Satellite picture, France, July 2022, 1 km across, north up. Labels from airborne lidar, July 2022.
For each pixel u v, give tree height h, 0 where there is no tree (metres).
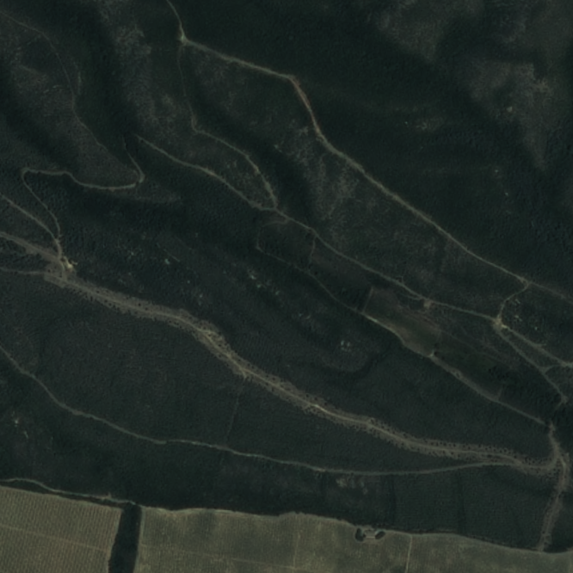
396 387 6
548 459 6
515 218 7
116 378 7
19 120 9
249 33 7
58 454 8
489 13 6
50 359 7
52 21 8
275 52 6
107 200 7
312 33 7
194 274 6
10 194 9
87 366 7
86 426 7
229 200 7
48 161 10
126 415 6
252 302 7
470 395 6
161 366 6
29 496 0
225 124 9
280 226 0
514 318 9
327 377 7
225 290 8
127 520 7
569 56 8
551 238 8
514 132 6
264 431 6
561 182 8
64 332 7
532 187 13
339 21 10
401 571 0
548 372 7
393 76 9
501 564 0
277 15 11
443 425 6
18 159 9
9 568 0
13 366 7
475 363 0
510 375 8
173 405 6
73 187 7
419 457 6
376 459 6
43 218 8
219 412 6
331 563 0
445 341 0
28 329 7
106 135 5
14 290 8
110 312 6
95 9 5
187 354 6
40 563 0
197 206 6
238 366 0
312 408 6
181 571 0
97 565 0
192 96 7
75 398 7
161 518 0
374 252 9
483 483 6
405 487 6
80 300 7
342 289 6
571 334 7
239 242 8
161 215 10
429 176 6
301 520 0
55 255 0
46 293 8
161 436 7
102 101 8
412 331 0
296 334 8
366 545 0
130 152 9
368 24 5
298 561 0
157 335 6
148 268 6
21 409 6
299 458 6
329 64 6
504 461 0
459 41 6
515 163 10
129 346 6
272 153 7
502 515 6
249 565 0
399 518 7
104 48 13
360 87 6
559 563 0
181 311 0
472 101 6
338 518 7
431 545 0
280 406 6
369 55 10
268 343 6
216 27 6
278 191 8
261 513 6
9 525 0
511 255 6
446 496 6
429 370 6
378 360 8
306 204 9
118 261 6
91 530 0
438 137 11
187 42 0
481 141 14
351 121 6
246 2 6
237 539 0
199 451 7
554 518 0
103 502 7
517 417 6
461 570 0
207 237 6
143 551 0
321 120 6
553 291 0
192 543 0
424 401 7
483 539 6
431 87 7
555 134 8
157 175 8
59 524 0
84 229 11
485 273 6
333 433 5
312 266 8
